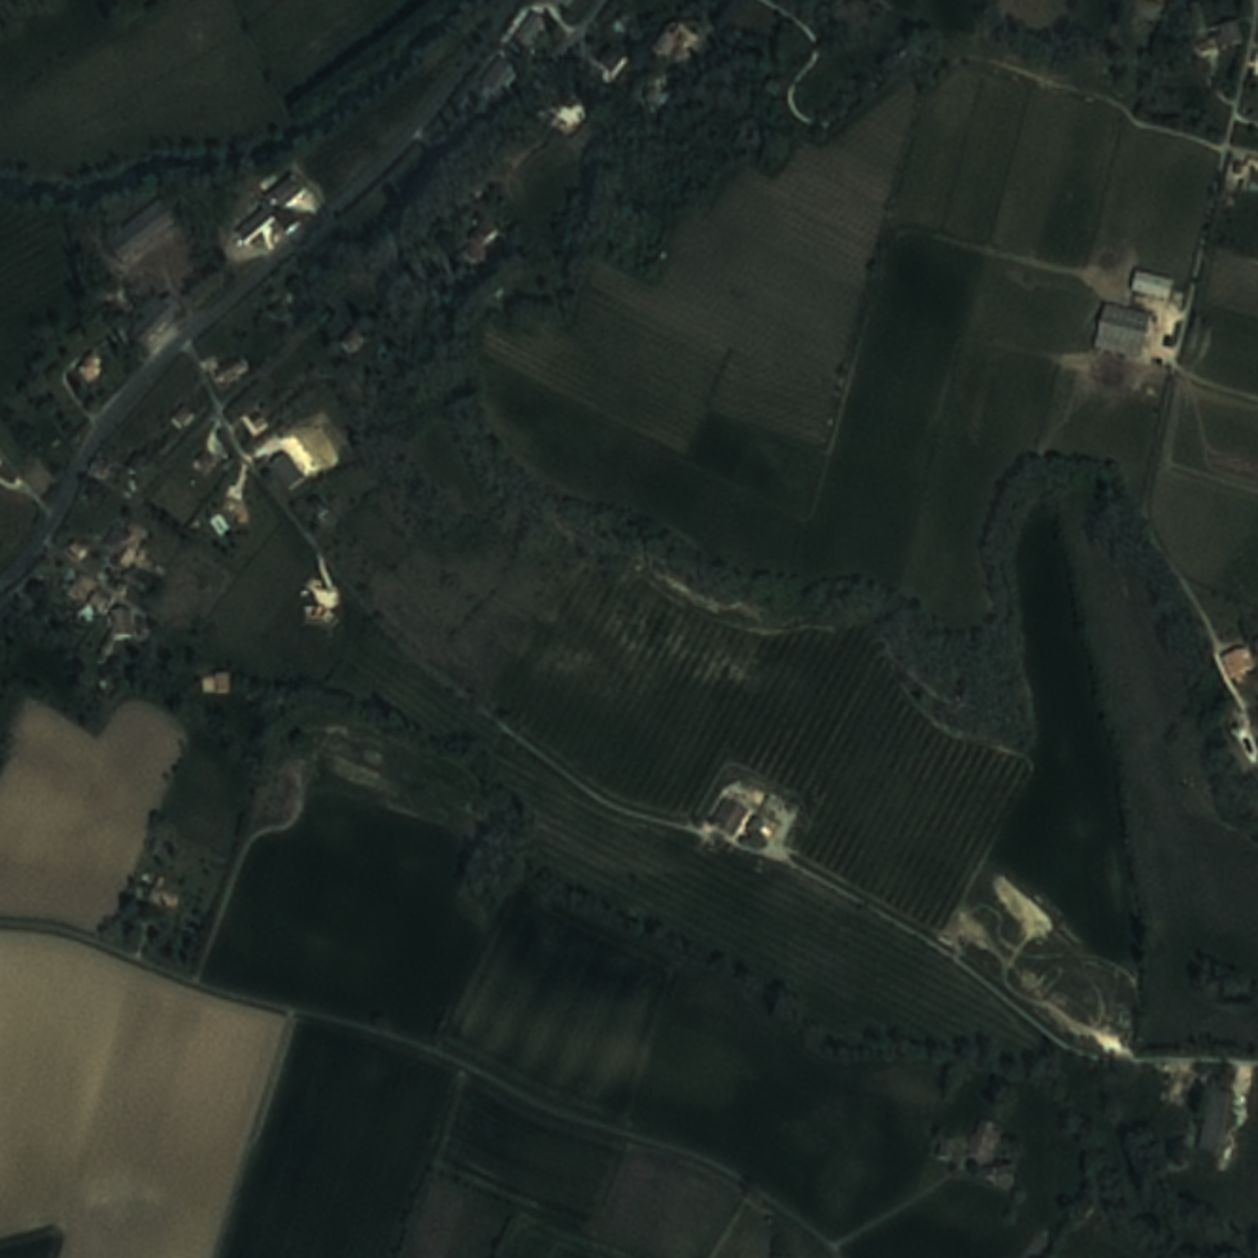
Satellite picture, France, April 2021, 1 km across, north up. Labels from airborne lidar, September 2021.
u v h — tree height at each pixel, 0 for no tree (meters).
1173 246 0
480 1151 0
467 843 0
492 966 0
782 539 0
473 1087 0
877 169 0
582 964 0
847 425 0
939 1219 0
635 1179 0
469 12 29
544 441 0
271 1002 0
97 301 16
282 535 0
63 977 0
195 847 0
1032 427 0
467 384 16
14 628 19
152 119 0
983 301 0
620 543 16
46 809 0
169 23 0
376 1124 0
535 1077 0
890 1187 0
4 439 0
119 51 0
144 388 0
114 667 14
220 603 0
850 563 0
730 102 15
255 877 0
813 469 0
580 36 0
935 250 0
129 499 0
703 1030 0
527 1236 0
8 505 0
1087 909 0
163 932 9
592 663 6
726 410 0
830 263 0
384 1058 0
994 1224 0
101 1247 0
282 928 0
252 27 11
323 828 0
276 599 0
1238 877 0
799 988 7
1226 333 0
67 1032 0
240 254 0
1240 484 0
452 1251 0
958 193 0
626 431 0
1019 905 0
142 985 0
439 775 0
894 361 0
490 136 21
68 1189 0
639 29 7
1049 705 0
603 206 22
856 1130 0
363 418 12
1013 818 0
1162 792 0
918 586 0
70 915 0
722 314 0
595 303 0
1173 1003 0
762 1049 0
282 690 13
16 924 0
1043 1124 0
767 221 0
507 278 17
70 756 0
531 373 0
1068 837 0
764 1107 0
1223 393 0
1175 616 19
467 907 0
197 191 29
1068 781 0
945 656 16
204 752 0
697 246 0
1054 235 0
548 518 22
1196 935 0
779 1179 0
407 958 0
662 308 0
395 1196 0
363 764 0
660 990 0
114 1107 0
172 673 24
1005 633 21
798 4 11
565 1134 0
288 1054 0
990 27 18
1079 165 0
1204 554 0
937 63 10
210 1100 0
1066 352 0
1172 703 0
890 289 0
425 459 0
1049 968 0
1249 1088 0
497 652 0
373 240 7
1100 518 19
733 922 6
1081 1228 17
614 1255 0
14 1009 0
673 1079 0
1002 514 14
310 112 16
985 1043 6
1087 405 0
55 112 0
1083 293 0
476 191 14
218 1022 0
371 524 0
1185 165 0
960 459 0
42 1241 0
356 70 15
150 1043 0
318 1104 0
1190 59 16
